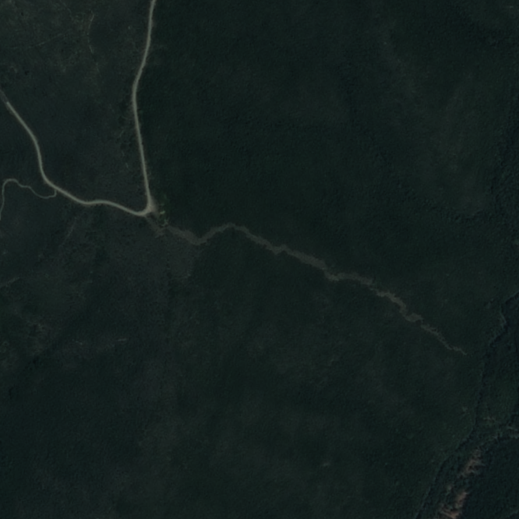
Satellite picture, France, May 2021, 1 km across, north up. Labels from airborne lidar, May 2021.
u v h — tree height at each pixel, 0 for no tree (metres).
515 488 11
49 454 6
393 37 6
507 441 23
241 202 5
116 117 0
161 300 0
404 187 11
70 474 6
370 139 7
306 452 6
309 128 10
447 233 7
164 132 5
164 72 7
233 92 6
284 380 7
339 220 11
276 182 7
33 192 0
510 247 8
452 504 15
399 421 6
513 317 14
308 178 6
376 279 6
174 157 6
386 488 6
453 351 6
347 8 6
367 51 8
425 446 11
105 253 7
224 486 5
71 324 6
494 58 6
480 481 13
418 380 9
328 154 7
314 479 5
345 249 6
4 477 8
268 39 6
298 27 6
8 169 0
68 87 0
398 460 8
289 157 9
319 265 0
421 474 8
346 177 6
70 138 0
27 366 6
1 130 0
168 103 6
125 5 0
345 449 7
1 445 9
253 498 6
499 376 7
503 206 14
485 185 9
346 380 6
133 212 0
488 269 6
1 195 0
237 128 7
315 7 6
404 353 6
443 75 6
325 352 6
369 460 11
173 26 6
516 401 6
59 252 0
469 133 7
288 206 6
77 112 0
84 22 0
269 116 6
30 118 0
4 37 0
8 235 0
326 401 8
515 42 9
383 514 7
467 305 6
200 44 8
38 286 0
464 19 15
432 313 5
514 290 6
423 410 6
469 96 5
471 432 8
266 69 6
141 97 6
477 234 7
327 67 8
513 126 17
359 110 6
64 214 0
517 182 9
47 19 0
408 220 7
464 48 6
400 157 6
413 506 13
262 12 6
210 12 6
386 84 6
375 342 7
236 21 7
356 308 7
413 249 6
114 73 0
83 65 0
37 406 6
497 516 13
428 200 8
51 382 6
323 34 7
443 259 6
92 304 6
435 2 6
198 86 7
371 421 7
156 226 0
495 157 8
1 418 6
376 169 6
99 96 0
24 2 0
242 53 5
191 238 0
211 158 8
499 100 7
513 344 8
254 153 6
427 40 9
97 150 0
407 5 6
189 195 7
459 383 6
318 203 7
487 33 15
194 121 7
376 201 8
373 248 8
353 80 7
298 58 8
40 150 0
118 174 0
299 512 6
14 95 0
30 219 0
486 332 7
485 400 13
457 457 9
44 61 0
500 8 6
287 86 7
